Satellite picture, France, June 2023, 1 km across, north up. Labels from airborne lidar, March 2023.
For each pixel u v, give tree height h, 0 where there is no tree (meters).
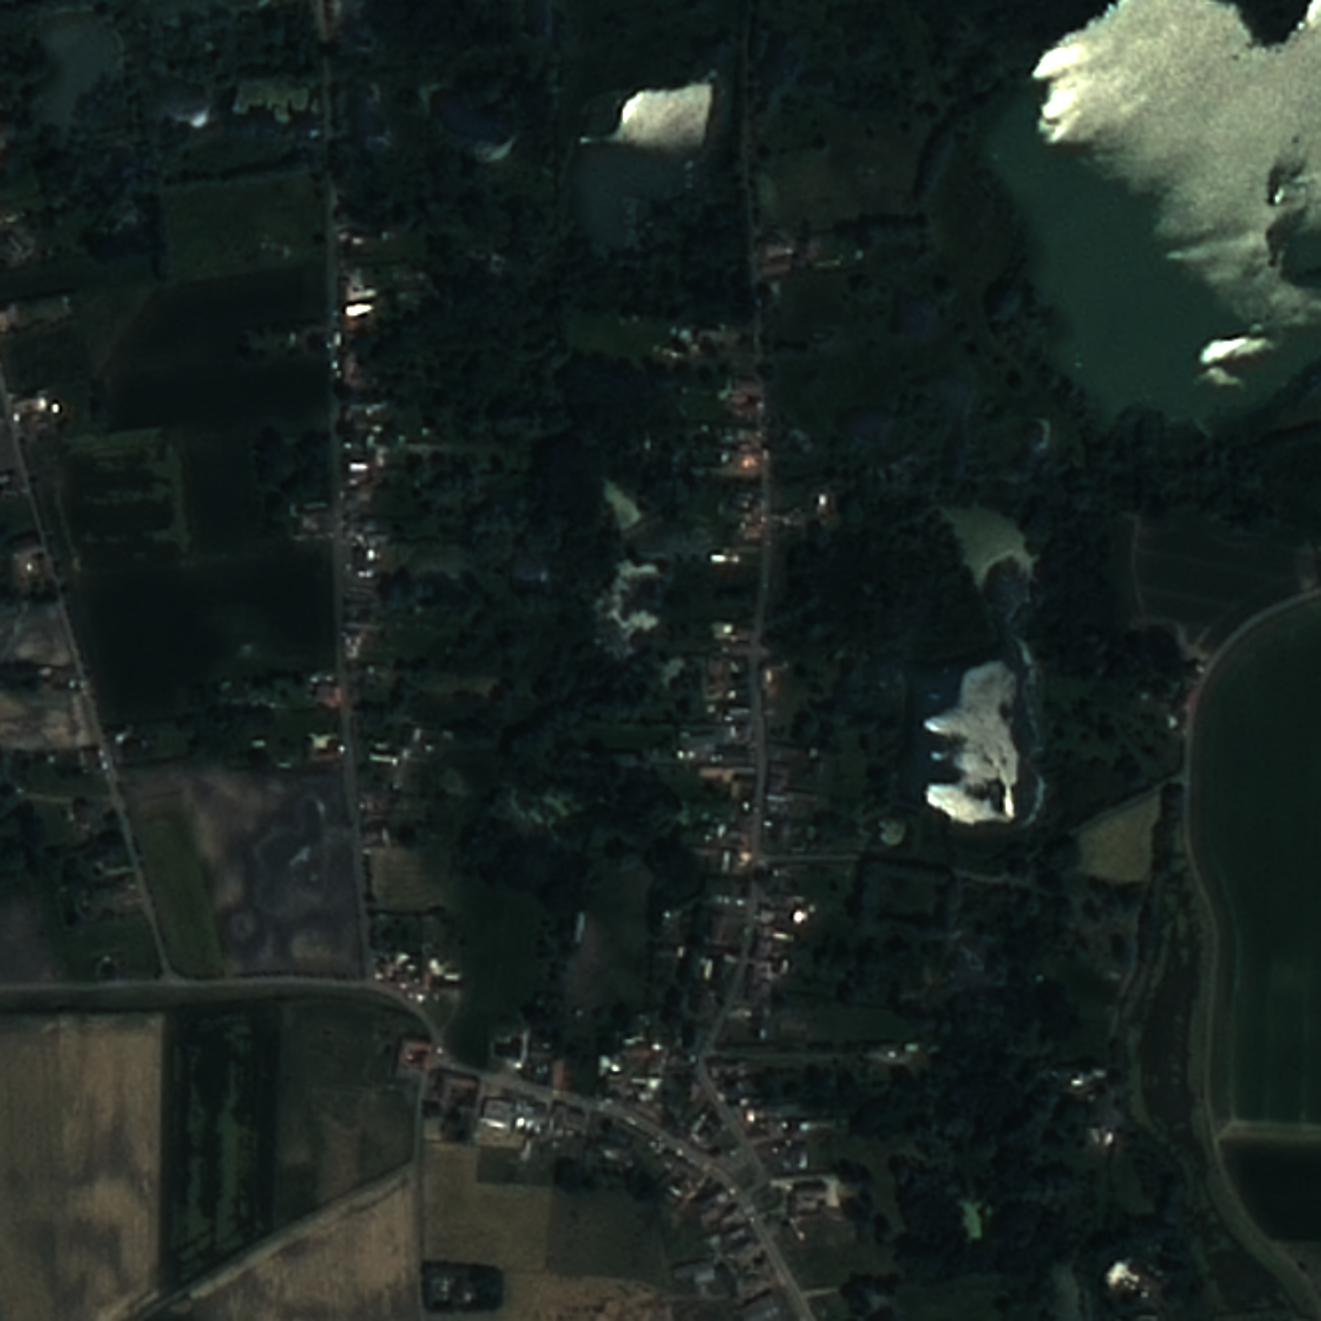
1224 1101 0
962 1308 0
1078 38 0
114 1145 0
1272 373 0
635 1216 0
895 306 0
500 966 0
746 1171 0
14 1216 0
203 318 0
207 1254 0
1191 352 0
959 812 0
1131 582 0
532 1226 0
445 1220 0
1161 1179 7
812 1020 0
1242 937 0
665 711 0
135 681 0
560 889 30
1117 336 0
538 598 21
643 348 0
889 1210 0
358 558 0
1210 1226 0
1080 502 21
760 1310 0
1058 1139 22
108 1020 0
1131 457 13
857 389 0
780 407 0
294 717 0
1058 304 0
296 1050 0
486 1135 0
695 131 0
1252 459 10
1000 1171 21
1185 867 0
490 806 10
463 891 0
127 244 23
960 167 0
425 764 0
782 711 0
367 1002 0
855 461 6
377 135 0
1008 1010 27
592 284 25
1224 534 0
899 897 0
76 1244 0
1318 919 0
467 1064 0
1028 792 0
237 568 0
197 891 0
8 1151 0
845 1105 8
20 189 0
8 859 18
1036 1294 19
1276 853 0
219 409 0
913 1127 18
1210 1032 0
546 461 28
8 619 0
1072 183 0
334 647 0
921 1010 22
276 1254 0
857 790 0
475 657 8
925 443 7
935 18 30
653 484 23
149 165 21
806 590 26
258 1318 0
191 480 0
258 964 0
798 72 0
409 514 0
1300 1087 0
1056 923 10
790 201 0
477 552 17
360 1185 0
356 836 0
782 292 0
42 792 0
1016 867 15
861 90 13
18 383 0
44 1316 0
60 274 0
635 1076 0
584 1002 0
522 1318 0
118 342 0
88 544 0
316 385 0
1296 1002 0
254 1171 0
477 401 8
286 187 0
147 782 0
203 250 0
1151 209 0
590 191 0
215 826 0
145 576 0
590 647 6
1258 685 0
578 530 22
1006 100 0
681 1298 0
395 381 9
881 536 8
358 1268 0
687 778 0
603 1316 0
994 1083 29
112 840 12
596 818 20
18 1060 0
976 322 0
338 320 0
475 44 8
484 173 14
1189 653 0
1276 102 0
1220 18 0
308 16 7
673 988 8
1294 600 0
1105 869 0
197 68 13
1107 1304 14
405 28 30
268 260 0
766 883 12
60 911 0
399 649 0
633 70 0
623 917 0
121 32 6
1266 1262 0
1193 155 0
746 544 0
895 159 0
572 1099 0
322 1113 0
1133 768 15
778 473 6
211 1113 0
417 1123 0
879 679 0
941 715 0
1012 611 0
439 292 26
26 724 0
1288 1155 0
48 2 12
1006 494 6
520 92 26
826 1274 0
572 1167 10
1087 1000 0
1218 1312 0
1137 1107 0
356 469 0
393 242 0
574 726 11
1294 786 0
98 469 0
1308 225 0
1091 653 14
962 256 0
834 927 0
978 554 0
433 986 0
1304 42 0
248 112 0
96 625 0
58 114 0
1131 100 0
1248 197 0
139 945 0
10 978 0
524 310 18
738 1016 0
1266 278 0
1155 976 0
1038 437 0
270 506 15
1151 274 0
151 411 0
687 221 15
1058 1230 20
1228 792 0
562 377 21
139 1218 0
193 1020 0
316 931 0
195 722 7
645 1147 0
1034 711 0
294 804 0
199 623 0
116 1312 0
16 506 0
